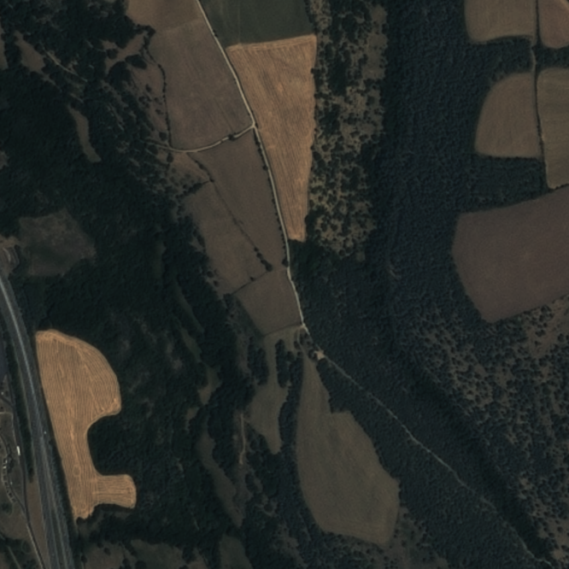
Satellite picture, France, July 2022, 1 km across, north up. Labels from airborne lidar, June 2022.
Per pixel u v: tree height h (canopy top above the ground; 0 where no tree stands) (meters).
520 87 0
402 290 13
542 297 0
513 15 0
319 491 0
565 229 0
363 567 7
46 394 0
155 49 0
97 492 0
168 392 8
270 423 0
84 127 0
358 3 8
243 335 0
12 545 9
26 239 0
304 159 0
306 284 9
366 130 0
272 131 0
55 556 0
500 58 12
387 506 0
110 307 6
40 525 0
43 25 8
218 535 21
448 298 13
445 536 16
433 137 17
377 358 10
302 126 0
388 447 11
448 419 18
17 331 0
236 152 0
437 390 16
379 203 22
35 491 0
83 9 14
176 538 15
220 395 17
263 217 0
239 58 0
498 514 9
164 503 8
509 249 0
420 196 16
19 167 14
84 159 23
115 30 14
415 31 17
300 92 0
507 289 0
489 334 11
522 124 0
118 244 9
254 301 0
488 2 0
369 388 16
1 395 0
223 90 0
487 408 9
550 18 0
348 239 10
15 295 8
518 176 19
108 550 12
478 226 0
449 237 15
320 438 0
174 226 13
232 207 0
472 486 17
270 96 0
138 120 10
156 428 7
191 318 6
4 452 0
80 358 0
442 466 11
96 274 12
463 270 0
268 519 11
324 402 0
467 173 11
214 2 0
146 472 15
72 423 0
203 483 18
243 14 0
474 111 11
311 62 0
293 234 0
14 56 16
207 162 0
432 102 16
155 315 6
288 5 0
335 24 10
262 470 8
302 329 0
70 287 10
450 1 12
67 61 16
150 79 0
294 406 10
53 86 17
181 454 10
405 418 14
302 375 9
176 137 0
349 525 0
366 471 0
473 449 20
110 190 14
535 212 0
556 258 0
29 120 9
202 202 0
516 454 8
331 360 12
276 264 0
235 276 0
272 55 0
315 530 15
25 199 10
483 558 18
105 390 0
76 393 0
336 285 14
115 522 11
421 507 16
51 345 0
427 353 10
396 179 21
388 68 13
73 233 0
